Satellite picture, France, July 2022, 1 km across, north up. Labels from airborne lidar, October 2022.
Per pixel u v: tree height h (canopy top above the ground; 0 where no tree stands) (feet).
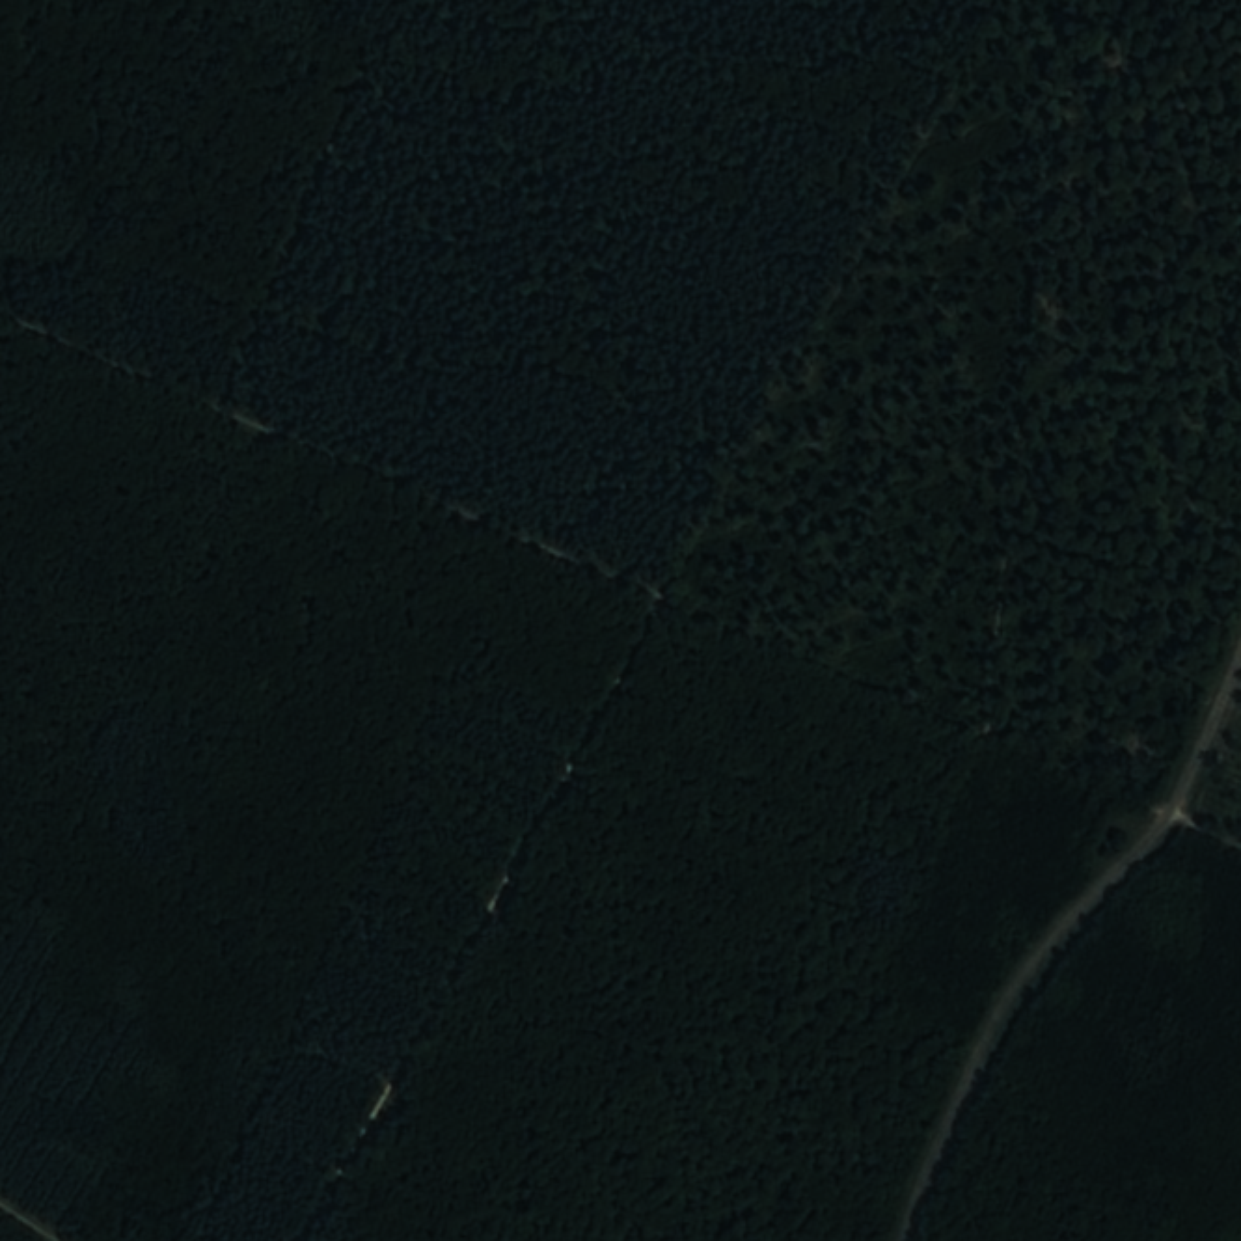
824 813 80
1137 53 113
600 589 75
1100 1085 42
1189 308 109
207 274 82
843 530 112
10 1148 69
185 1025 63
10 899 70
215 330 97
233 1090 58
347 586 91
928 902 43
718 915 87
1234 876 48
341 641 76
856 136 103
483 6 133
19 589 67
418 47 108
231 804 81
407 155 125
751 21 116
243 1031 66
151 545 68
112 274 99
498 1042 71
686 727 78
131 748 94
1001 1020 0
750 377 122
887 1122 92
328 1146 98
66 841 70
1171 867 41
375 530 90
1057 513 108
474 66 109
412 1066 95
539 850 82
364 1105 99
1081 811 50
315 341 109
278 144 78
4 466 88
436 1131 69
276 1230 94
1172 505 107
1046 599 109
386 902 80
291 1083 82
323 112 92
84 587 64
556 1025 78
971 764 80
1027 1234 55
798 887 74
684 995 81
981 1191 63
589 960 96
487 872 80
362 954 93
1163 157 119
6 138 76
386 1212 81
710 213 120
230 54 70
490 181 88
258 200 85
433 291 120
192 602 80
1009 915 41
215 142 82
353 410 119
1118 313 25
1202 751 0
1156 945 46
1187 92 62
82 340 62
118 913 60
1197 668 106
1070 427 103
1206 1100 38
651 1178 74
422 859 93
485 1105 73
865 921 115
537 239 121
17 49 78
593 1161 80
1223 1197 26
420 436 119
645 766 83
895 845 97
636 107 133
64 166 63
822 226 117
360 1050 106
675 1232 90
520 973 64
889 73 91
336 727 73
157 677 74
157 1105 75
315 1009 81
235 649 67
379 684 75
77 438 68
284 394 110
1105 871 0
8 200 96
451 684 94
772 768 77
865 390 78
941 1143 0
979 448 27
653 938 83
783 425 100
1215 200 113
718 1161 88
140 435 65
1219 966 43
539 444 129
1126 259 105
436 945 88
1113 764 103
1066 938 0
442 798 85
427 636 93
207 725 69
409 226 120
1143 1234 73
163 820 92
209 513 75
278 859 71
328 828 76
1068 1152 40
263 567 88
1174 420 108
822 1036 99
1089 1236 53
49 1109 76
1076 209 103
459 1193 77
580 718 93
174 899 66
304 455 88
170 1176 49
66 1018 66
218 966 76
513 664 80
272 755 69
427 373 100
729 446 44
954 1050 62
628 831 78
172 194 72
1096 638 115
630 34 123
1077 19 49
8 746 77
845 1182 80
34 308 77
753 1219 91
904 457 48
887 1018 89
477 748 100
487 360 95
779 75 99
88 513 64
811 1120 93
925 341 106
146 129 94
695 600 82
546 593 73
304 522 80
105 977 68
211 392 85
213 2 49
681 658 86
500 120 119
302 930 74
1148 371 115
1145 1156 40
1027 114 114
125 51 76
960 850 39
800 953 70
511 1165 79
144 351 72
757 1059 90
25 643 62
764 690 69
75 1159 65
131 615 68
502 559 78
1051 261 113
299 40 66
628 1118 86
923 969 47
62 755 68
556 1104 85
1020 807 46
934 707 26
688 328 121
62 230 94
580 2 104
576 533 110
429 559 87
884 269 99
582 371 85
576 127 120
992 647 55
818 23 126
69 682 47
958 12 129
